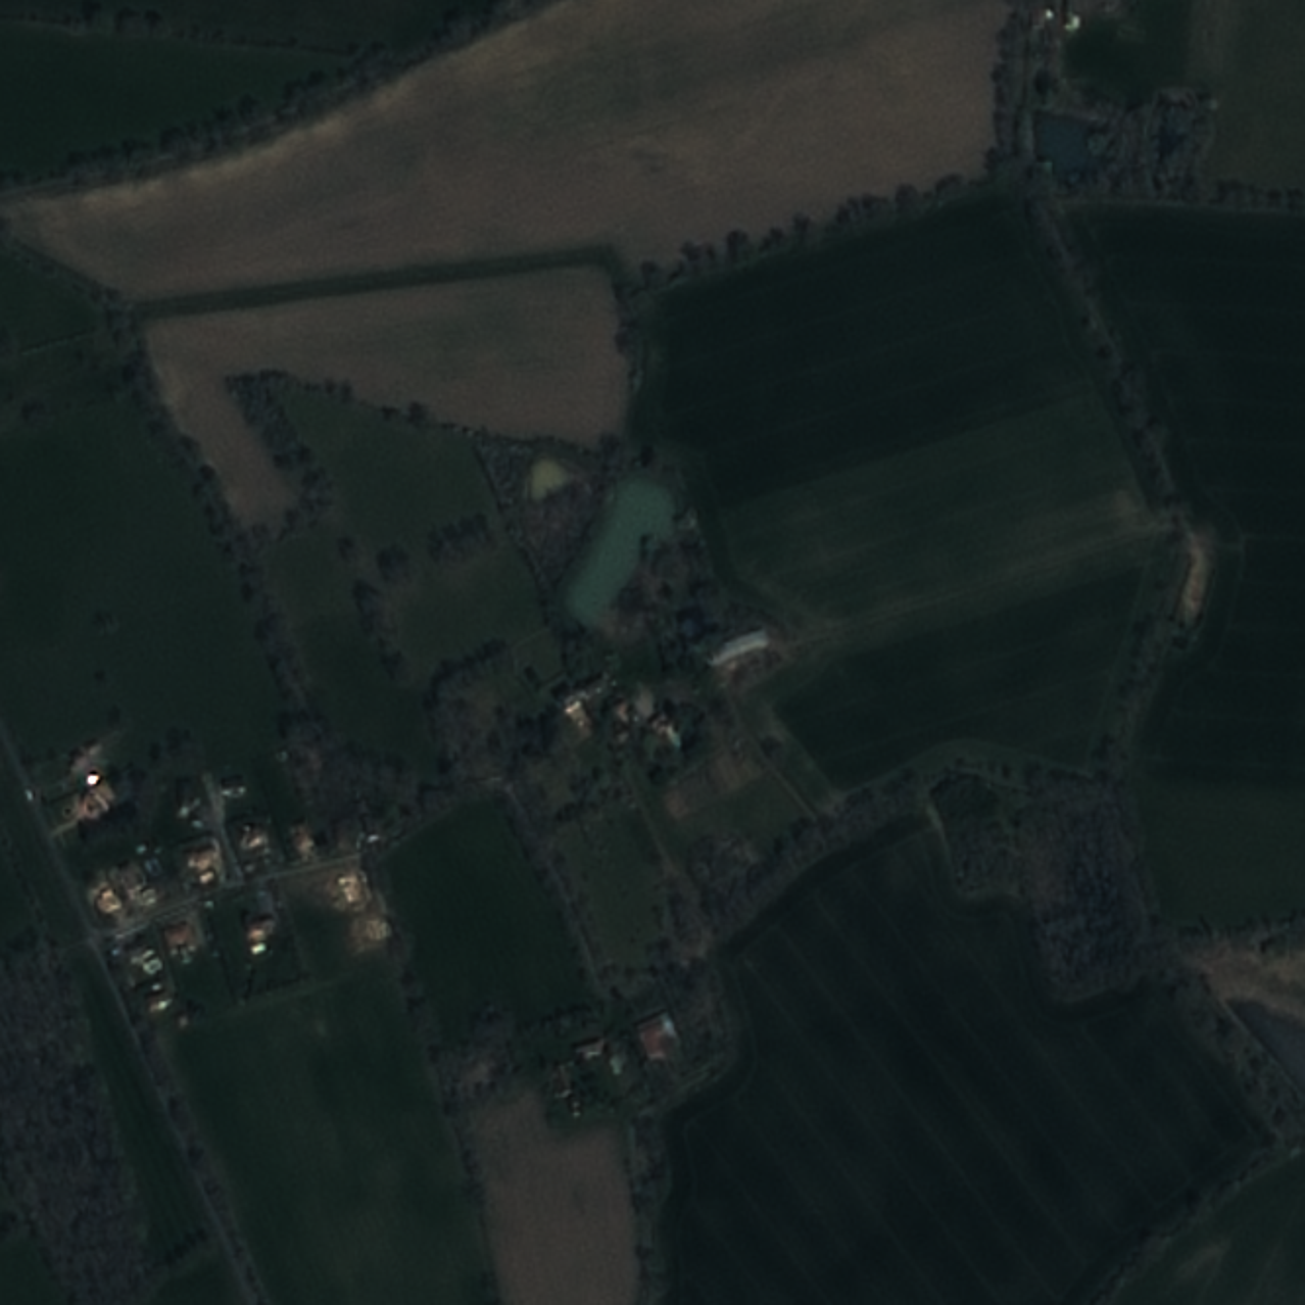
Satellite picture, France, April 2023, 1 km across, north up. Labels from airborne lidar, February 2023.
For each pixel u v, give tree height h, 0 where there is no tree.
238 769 0
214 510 12
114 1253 22
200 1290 0
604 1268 0
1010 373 0
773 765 16
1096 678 0
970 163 0
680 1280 0
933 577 0
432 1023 20
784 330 0
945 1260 0
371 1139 0
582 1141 0
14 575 0
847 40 0
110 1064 0
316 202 0
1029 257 0
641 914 0
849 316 0
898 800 17
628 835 0
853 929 0
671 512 0
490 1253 0
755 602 0
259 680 0
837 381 0
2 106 0
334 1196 0
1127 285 0
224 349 0
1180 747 0
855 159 0
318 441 0
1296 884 0
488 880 0
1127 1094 0
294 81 0
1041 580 0
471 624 0
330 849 16
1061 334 0
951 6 0
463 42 12
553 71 0
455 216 0
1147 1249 14
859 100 0
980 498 0
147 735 0
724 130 0
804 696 0
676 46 0
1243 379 0
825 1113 0
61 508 0
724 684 0
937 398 0
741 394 0
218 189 0
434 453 0
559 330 0
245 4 0
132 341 14
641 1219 16
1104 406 0
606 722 7
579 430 0
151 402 20
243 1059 0
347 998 0
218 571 0
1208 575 0
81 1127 24
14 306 0
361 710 0
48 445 0
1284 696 0
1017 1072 0
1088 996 14
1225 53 0
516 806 18
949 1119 0
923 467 0
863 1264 0
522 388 0
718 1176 0
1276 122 0
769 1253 0
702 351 0
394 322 0
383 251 0
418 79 0
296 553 0
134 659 0
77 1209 24
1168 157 7
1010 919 0
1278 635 0
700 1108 0
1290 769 0
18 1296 0
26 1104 24
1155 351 0
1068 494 0
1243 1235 0
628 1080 0
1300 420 0
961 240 0
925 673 0
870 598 0
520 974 0
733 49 0
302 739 20
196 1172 18
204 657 0
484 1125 0
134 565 0
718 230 0
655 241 0
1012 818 0
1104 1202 0
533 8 18
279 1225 0
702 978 19
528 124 0
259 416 6
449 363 0
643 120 0
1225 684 0
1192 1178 0
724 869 9
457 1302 0
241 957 0
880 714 0
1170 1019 0
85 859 0
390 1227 0
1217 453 0
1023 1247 0
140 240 0
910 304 0
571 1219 0
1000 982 0
